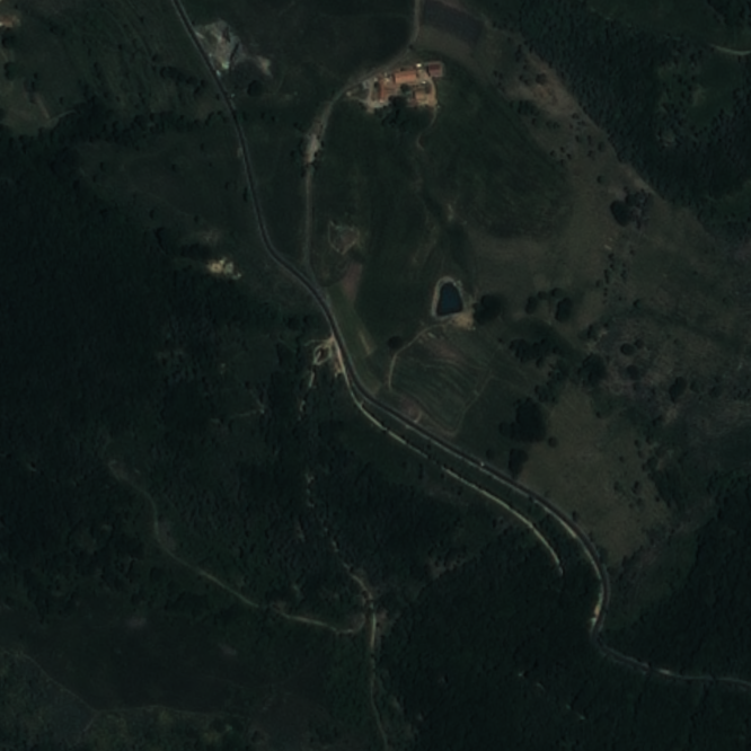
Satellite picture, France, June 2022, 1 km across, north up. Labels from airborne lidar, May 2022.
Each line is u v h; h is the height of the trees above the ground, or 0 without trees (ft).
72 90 0
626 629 51
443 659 62
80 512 46
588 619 51
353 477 39
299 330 43
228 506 26
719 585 34
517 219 0
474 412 0
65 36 31
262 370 0
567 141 0
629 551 0
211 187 0
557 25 35
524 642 36
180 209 0
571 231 0
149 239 28
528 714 55
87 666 0
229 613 33
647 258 0
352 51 0
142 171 0
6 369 64
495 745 73
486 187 0
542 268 0
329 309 0
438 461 38
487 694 72
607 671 53
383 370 0
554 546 27
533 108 31
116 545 41
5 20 0
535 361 41
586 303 0
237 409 0
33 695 18
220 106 0
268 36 0
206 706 0
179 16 0
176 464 38
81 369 39
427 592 40
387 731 19
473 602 64
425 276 0
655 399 31
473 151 0
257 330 26
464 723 82
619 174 0
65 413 52
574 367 0
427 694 52
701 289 0
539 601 49
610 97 50
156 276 75
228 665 0
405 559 42
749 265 0
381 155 0
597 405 0
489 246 0
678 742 56
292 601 25
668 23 0
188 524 27
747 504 34
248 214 0
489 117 0
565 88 0
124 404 48
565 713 60
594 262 0
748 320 0
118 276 65
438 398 0
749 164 54
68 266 71
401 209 0
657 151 41
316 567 44
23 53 0
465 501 0
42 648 0
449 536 59
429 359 0
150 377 59
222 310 63
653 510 0
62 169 63
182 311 51
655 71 67
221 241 0
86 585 0
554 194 0
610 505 0
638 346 32
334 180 0
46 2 0
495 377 0
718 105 0
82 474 43
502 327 0
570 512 0
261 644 25
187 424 60
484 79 0
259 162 0
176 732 21
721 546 47
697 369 0
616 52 71
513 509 40
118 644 0
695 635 42
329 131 0
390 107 19
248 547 37
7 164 94
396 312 0
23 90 0
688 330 0
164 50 0
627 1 0
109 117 49
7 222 60
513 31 22
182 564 0
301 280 0
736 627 35
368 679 19
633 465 0
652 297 0
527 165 0
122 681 0
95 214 48
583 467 0
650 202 41
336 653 23
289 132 0
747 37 0
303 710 0
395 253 0
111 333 56
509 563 43
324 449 48
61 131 59
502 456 0
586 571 60
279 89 0
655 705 71
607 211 0
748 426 0
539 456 0
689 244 0
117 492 42
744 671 48
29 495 67
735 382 0
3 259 56
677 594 36
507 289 0
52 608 36
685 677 45
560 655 94
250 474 37
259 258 0
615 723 72
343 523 34
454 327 0
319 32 0
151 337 63
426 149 0
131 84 0
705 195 61
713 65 0
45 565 24
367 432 0
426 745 49
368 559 41
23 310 85
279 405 43
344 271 0
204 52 0
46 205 65
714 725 52
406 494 63
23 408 61
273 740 0
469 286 0
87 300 75
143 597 28
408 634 36
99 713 0
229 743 31
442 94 0
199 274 46
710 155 56
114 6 0
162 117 48
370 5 0
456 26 0
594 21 54
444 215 0
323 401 23
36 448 61
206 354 31
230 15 0
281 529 53
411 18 0
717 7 38
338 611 21
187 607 32
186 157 0
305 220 0
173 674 0
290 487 68
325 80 0
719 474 46
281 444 43
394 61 0
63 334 64
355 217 0
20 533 48
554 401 49
